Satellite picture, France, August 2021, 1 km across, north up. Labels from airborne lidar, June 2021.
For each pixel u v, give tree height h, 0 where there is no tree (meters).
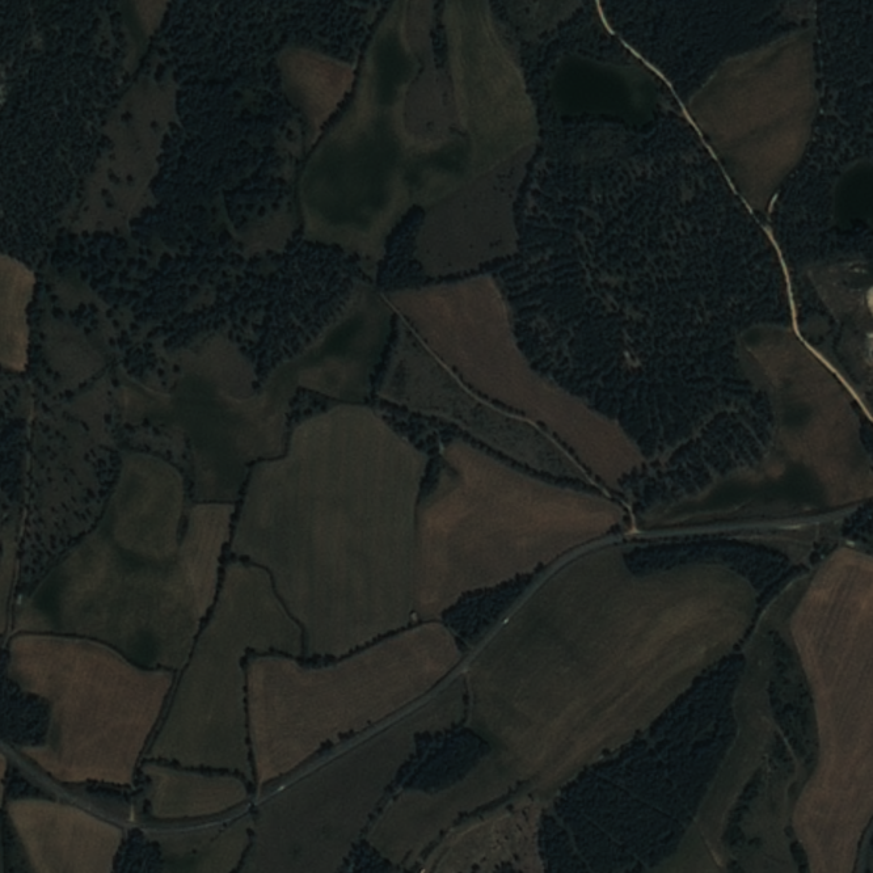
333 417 0
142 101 0
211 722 0
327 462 0
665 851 11
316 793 0
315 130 0
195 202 16
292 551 0
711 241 10
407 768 6
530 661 0
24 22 12
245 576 0
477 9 0
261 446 0
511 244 0
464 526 0
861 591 0
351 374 0
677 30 14
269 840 0
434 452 11
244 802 0
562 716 0
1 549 8
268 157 15
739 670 14
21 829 0
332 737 0
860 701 0
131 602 0
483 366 0
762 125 0
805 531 0
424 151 0
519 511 0
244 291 13
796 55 0
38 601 0
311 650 0
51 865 0
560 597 0
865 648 0
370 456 0
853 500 0
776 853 0
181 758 0
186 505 0
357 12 14
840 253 10
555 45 13
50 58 14
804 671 0
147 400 0
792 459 0
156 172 0
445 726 0
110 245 18
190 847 0
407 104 0
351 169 0
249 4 17
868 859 0
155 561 0
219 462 0
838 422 0
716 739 11
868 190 0
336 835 0
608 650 0
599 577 0
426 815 0
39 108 18
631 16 10
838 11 10
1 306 0
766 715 0
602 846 9
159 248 0
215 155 19
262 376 14
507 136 0
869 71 12
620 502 9
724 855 0
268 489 0
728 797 0
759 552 15
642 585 0
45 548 14
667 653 0
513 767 0
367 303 0
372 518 0
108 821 0
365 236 0
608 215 10
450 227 0
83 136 11
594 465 0
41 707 14
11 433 19
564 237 9
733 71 0
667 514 0
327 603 0
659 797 10
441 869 0
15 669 0
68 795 0
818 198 15
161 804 0
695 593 0
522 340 9
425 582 0
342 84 0
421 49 0
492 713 0
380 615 0
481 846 0
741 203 8
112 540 0
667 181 10
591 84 0
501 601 12
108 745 0
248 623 0
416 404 0
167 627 0
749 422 14
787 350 0
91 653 0
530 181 9
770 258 9
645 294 16
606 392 10
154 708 0
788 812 0
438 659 0
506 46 0
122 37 13
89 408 0
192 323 14
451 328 0
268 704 0
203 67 12
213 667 0
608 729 0
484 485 0
